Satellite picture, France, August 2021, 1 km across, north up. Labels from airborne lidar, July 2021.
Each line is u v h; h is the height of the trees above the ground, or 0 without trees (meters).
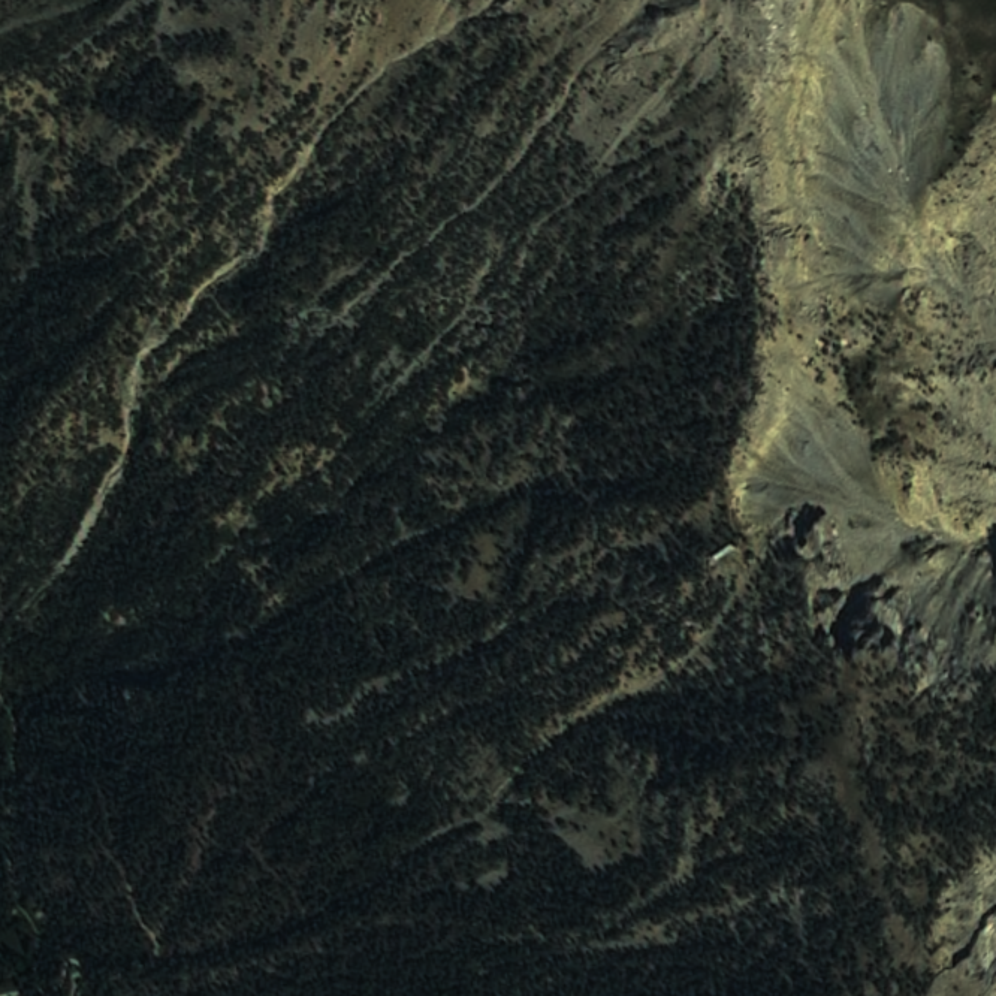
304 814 15
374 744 7
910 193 0
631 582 7
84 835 8
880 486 0
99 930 8
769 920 8
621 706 7
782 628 6
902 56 0
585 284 10
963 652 0
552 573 7
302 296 12
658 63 0
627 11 0
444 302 8
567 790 13
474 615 12
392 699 7
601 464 8
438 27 0
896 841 8
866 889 10
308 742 8
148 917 13
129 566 8
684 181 6
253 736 18
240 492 11
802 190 0
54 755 8
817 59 0
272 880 9
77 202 10
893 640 0
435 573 11
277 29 0
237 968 12
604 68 0
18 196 5
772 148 0
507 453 8
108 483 0
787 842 13
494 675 10
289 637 11
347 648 16
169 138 8
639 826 0
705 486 7
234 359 6
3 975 12
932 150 0
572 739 10
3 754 6
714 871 9
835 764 0
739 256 7
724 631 10
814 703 0
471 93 9
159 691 8
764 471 0
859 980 9
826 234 0
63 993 11
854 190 0
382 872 7
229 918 7
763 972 8
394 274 6
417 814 8
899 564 0
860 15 0
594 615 10
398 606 6
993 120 0
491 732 6
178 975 9
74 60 7
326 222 11
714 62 0
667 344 10
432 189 7
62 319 14
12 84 9
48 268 9
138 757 14
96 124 0
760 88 0
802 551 0
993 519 0
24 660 8
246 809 16
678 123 0
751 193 8
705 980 12
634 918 8
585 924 8
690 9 0
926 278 0
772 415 0
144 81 13
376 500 14
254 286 7
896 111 0
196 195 7
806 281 0
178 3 8
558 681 6
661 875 8
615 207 8
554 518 10
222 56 7
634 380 10
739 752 10
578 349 10
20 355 6
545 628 13
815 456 0
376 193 9
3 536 10
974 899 0
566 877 10
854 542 0
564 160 8
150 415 6
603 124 0
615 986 15
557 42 0
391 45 0
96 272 9
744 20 0
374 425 9
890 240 0
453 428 6
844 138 0
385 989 9
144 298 6
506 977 10
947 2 0
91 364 6
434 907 17
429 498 12
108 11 8
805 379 0
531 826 9
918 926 7
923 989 9
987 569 0
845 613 0
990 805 13
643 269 7
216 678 12
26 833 9
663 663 7
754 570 0
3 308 7
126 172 14
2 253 8
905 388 0
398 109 9
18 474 13
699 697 9
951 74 0
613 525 8
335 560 9
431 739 10
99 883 13
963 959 0
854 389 7
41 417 9
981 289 0
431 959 10
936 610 0
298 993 13
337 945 11
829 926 7
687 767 7
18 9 0
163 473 16
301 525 7
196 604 10
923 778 16
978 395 0
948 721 8
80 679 6
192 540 9
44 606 9
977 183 0
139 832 7
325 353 7
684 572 9
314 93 7
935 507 0
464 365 6
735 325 9
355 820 7
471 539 10
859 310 0
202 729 8
